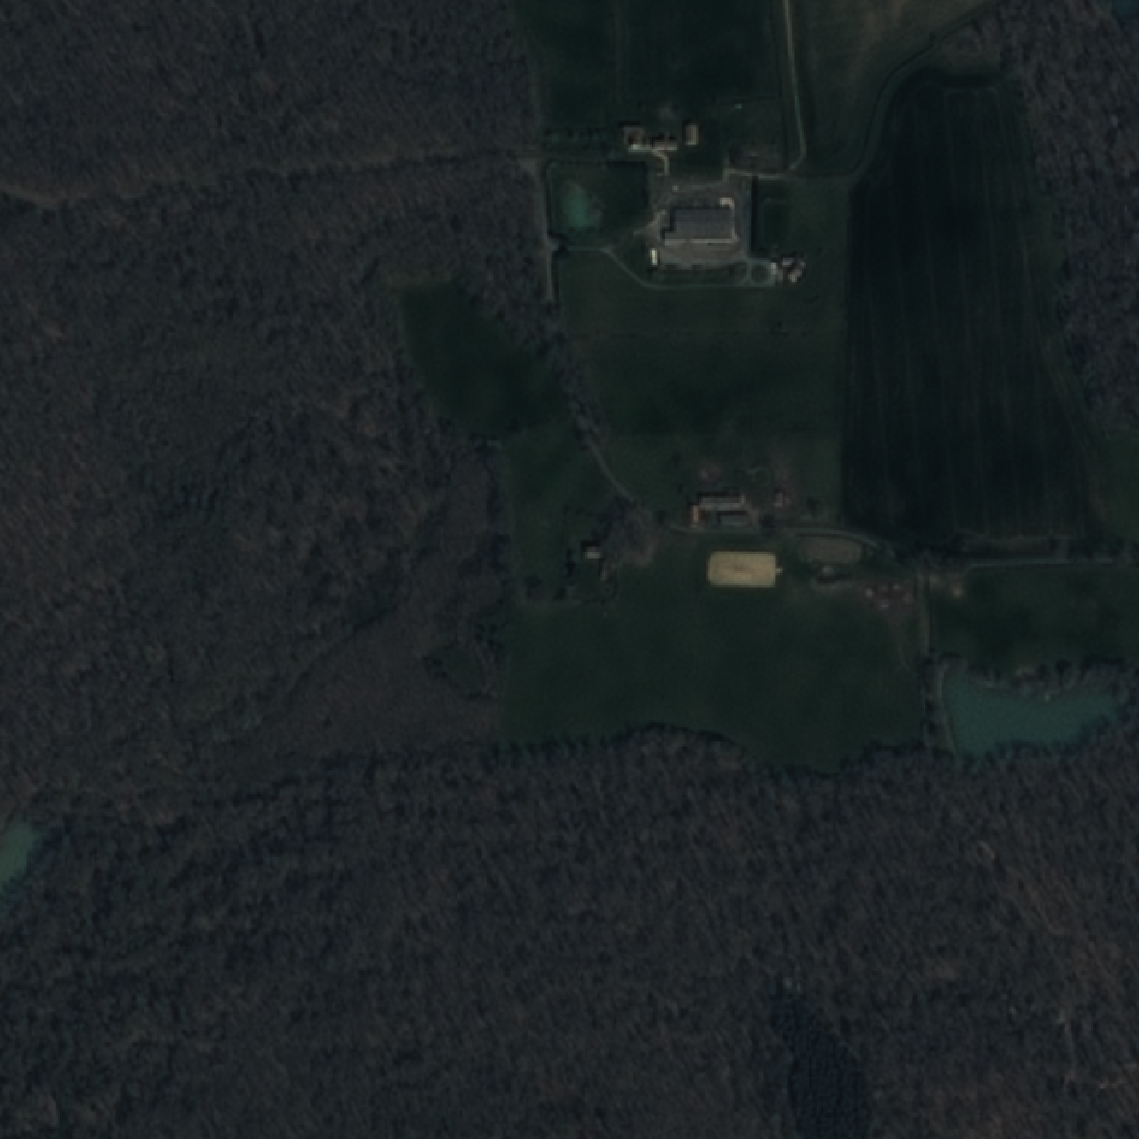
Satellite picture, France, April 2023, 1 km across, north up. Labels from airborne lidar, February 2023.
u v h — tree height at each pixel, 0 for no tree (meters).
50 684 22
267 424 21
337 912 23
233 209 18
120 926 18
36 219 16
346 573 15
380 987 19
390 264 22
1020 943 24
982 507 0
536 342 19
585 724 0
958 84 0
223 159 21
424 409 25
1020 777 21
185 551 24
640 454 0
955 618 0
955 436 0
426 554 9
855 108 0
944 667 11
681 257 0
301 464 24
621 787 22
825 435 0
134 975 23
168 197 18
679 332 0
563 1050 20
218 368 11
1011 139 0
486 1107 19
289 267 21
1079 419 0
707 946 20
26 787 25
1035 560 0
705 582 0
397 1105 21
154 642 25
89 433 18
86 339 18
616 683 0
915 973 21
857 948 20
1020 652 0
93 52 29
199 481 9
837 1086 15
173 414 10
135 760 24
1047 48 14
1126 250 24
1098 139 22
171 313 20
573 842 23
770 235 0
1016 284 0
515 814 27
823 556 0
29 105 27
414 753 13
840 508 0
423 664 9
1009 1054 22
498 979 21
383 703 14
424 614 12
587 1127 25
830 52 0
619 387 0
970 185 0
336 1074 21
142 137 21
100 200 14
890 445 0
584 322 0
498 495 16
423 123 25
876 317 0
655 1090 17
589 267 0
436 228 23
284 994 22
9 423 23
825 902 26
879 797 21
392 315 23
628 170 8
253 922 14
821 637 0
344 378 26
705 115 0
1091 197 24
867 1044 19
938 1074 18
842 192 0
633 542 28
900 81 0
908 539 0
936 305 0
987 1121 22
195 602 21
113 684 20
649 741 19
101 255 22
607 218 0
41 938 22
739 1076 20
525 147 19
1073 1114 23
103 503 21
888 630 0
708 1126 21
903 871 24
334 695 10
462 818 20
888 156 0
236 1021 21
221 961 21
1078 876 23
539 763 23
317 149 20
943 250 0
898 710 0
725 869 23
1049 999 24
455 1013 21
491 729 10
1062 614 0
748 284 0
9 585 19
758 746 0
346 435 26
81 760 22
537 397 0
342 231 22
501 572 15
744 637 0
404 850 20
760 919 22
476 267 25
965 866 19
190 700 18
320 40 24
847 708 0
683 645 0
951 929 13
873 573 0
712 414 0
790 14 0
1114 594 0
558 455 0
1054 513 0
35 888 16
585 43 0
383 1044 20
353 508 29
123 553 21
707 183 0
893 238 0
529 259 23
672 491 0
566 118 0
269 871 27
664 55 0
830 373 0
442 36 23
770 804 25
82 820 25
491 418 0
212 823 24
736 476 0
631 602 0
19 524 21
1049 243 0
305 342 23
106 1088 10
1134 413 25
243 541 28
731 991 19
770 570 0
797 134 0
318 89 18
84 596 22
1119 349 25
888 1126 17
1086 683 7
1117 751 24
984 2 0
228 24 20
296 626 27
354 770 19
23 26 24
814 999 18
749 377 0
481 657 11
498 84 21
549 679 0
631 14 0
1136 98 25
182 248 9
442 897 23
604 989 22
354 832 18
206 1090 15
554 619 0
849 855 22
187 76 20
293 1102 19
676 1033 20
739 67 0
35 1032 21
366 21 24
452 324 0
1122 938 22
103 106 25
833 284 0
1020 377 0
